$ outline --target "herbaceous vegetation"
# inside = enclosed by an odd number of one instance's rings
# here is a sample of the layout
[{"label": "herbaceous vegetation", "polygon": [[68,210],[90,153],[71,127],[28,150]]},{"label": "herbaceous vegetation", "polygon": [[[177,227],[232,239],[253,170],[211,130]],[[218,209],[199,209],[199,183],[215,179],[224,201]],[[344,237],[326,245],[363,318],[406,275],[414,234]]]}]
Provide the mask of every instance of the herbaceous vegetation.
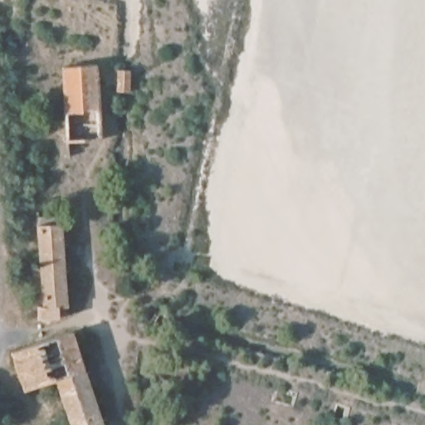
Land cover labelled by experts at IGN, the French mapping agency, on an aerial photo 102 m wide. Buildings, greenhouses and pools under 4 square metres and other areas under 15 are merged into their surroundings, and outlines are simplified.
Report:
[{"label": "herbaceous vegetation", "polygon": [[[154,125],[154,111],[163,106],[168,98],[171,98],[171,103],[176,108],[173,115],[168,116],[169,125],[183,118],[179,108],[183,98],[194,96],[194,106],[204,106],[204,111],[209,116],[216,100],[216,86],[212,83],[212,78],[217,76],[214,66],[201,65],[198,55],[191,56],[191,61],[179,58],[179,45],[186,40],[189,13],[184,5],[179,5],[178,0],[139,0],[139,38],[134,55],[128,58],[125,55],[126,3],[123,0],[35,0],[35,3],[40,5],[40,15],[56,17],[55,25],[66,27],[68,33],[90,33],[100,38],[95,50],[75,50],[65,55],[65,60],[70,61],[71,68],[96,66],[100,71],[103,138],[86,139],[85,144],[68,146],[61,141],[56,144],[56,166],[65,174],[60,183],[60,194],[70,198],[70,217],[73,221],[70,231],[63,232],[68,307],[73,314],[91,307],[91,300],[95,297],[95,284],[91,272],[90,221],[95,221],[101,219],[103,212],[96,208],[93,191],[90,189],[98,184],[93,169],[96,166],[106,168],[110,164],[108,161],[115,158],[125,181],[125,191],[131,189],[139,198],[143,198],[148,206],[156,203],[156,211],[161,217],[159,231],[166,234],[186,234],[194,193],[198,186],[204,139],[208,138],[208,134],[198,131],[194,138],[188,136],[184,141],[173,141],[164,134],[161,126]],[[116,73],[125,70],[131,76],[131,85],[126,93],[134,96],[134,103],[125,120],[111,110],[111,101],[116,91]]]},{"label": "herbaceous vegetation", "polygon": [[[317,418],[330,410],[335,410],[334,418],[340,418],[342,425],[425,425],[425,342],[415,342],[397,334],[382,334],[377,330],[367,329],[364,325],[339,319],[324,310],[305,309],[302,305],[271,296],[269,302],[261,302],[237,292],[222,292],[209,281],[199,281],[198,274],[188,272],[183,281],[166,281],[158,289],[149,291],[149,296],[153,299],[171,299],[178,297],[186,289],[193,289],[198,294],[196,300],[201,304],[198,312],[179,315],[173,322],[174,327],[191,344],[189,347],[181,347],[178,352],[184,367],[193,362],[208,362],[209,369],[203,380],[188,379],[186,375],[176,377],[174,387],[181,393],[179,407],[186,410],[186,415],[174,418],[173,425],[309,425],[312,418]],[[254,307],[257,312],[256,319],[247,320],[242,329],[242,337],[222,334],[216,330],[212,317],[216,314],[226,315],[227,310],[234,305]],[[292,322],[312,322],[315,325],[314,334],[299,342],[292,340],[289,332],[289,325]],[[247,342],[264,345],[269,350],[287,355],[287,372],[307,379],[314,379],[315,375],[319,374],[327,382],[324,388],[312,383],[300,383],[297,390],[299,400],[296,407],[292,407],[289,405],[291,383],[271,375],[237,369],[234,365],[229,365],[232,359],[244,362],[242,349],[246,347]],[[315,370],[314,367],[304,367],[300,364],[300,357],[309,349],[327,349],[330,360],[327,369]]]},{"label": "herbaceous vegetation", "polygon": [[5,189],[0,184],[0,319],[3,317],[12,330],[25,330],[28,340],[28,344],[18,344],[17,347],[10,347],[10,350],[5,352],[8,365],[5,369],[0,369],[0,425],[70,425],[56,385],[38,388],[33,392],[23,392],[22,385],[15,375],[13,354],[35,347],[35,340],[43,340],[42,330],[38,330],[38,327],[37,319],[23,319],[20,300],[15,297],[10,286],[7,244],[3,241],[5,208],[2,194],[5,193]]},{"label": "herbaceous vegetation", "polygon": [[105,425],[128,425],[125,418],[116,412],[113,375],[105,362],[100,335],[91,325],[78,329],[75,335],[76,342],[80,347],[81,359],[85,364],[86,374],[90,377],[91,388]]}]

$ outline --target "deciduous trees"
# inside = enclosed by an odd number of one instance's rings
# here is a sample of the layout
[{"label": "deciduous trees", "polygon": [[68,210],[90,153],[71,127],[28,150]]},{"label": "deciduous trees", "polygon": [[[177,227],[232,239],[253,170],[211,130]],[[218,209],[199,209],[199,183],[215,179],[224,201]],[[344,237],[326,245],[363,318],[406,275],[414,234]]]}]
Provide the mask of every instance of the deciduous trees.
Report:
[{"label": "deciduous trees", "polygon": [[216,330],[222,334],[242,337],[242,329],[229,324],[226,315],[216,314],[212,317]]},{"label": "deciduous trees", "polygon": [[129,342],[126,349],[128,357],[120,355],[121,374],[125,377],[123,382],[133,402],[133,410],[125,418],[128,425],[173,425],[174,418],[186,415],[186,410],[179,407],[181,393],[174,387],[176,377],[186,375],[188,379],[203,380],[209,369],[208,362],[193,362],[184,367],[178,352],[181,347],[189,347],[191,344],[174,327],[173,322],[179,315],[198,312],[201,304],[196,300],[198,294],[193,289],[186,289],[178,297],[171,299],[153,299],[149,296],[149,291],[158,289],[166,281],[183,281],[188,272],[196,257],[193,257],[191,264],[183,261],[186,254],[186,234],[166,234],[159,231],[161,217],[156,211],[156,203],[148,206],[143,198],[139,198],[131,189],[125,191],[125,181],[115,158],[108,161],[110,164],[106,168],[96,166],[93,169],[98,184],[90,189],[93,191],[96,208],[103,212],[101,219],[95,221],[100,231],[100,242],[108,247],[108,251],[101,251],[98,254],[98,269],[101,284],[110,292],[110,299],[116,299],[118,296],[129,297],[133,304],[129,304],[126,309],[129,334],[139,335],[143,339],[154,337],[161,344],[154,347]]},{"label": "deciduous trees", "polygon": [[125,120],[134,103],[134,96],[126,93],[116,91],[111,101],[111,110]]},{"label": "deciduous trees", "polygon": [[42,28],[38,38],[45,42],[55,55],[65,55],[75,50],[95,50],[100,38],[90,33],[68,33],[66,27],[55,25],[40,22]]},{"label": "deciduous trees", "polygon": [[42,267],[38,257],[37,227],[56,226],[61,227],[63,232],[70,231],[73,221],[70,217],[70,198],[60,194],[60,183],[65,174],[56,166],[56,144],[58,133],[48,128],[46,123],[48,93],[40,90],[43,81],[48,80],[48,73],[43,75],[38,71],[38,65],[28,63],[28,55],[33,50],[32,7],[35,3],[35,0],[0,0],[0,184],[5,189],[5,193],[2,194],[5,208],[3,241],[7,244],[10,286],[15,297],[20,300],[23,319],[37,319],[43,291],[40,281]]}]

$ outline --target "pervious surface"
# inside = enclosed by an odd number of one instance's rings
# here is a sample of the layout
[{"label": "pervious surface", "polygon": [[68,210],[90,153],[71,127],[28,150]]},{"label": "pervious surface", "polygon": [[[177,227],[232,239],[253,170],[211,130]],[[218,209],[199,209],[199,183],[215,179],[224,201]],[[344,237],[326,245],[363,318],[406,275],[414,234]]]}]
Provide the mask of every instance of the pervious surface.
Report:
[{"label": "pervious surface", "polygon": [[101,251],[108,251],[108,247],[100,242],[100,231],[95,221],[90,221],[91,272],[95,284],[95,297],[91,300],[91,307],[73,314],[70,317],[51,320],[50,324],[43,322],[42,327],[38,327],[38,330],[42,330],[43,340],[53,337],[56,330],[70,327],[78,329],[91,325],[100,335],[105,362],[113,375],[116,412],[125,418],[133,410],[133,402],[123,382],[125,377],[121,374],[120,355],[128,357],[126,349],[129,342],[154,347],[161,344],[154,337],[143,339],[139,335],[129,334],[126,309],[120,305],[116,319],[113,319],[110,314],[110,299],[110,292],[101,284],[98,269],[98,254]]},{"label": "pervious surface", "polygon": [[324,388],[327,382],[319,374],[315,375],[314,379],[307,379],[287,372],[244,362],[232,359],[229,365],[234,365],[237,369],[271,375],[291,383],[289,405],[292,407],[296,407],[299,400],[297,390],[300,383],[312,383]]},{"label": "pervious surface", "polygon": [[128,58],[134,55],[139,38],[139,0],[123,0],[126,3],[125,55]]},{"label": "pervious surface", "polygon": [[[209,256],[209,267],[222,279],[271,296],[302,305],[305,309],[324,310],[339,319],[364,325],[367,329],[377,330],[382,334],[397,334],[415,342],[425,342],[425,0],[251,0],[251,20],[244,37],[244,50],[239,55],[234,85],[231,88],[229,116],[222,125],[216,123],[216,120],[209,121],[208,134],[208,138],[204,139],[198,186],[194,193],[186,234],[186,254],[183,261],[191,264],[193,257],[196,257]],[[206,196],[208,209],[208,234],[211,241],[209,252],[193,252],[191,249],[201,194]]]}]

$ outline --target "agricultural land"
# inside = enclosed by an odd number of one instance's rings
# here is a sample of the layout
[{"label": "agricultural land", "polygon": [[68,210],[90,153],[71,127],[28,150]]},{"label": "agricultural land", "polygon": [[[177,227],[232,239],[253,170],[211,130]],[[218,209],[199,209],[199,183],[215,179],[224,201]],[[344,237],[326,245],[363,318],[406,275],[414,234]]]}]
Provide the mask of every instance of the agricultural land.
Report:
[{"label": "agricultural land", "polygon": [[48,93],[46,123],[48,128],[58,133],[56,144],[61,141],[68,146],[85,144],[86,139],[71,139],[70,126],[63,123],[68,101],[63,95],[61,73],[65,68],[71,68],[70,61],[65,60],[65,55],[55,55],[45,42],[38,38],[42,28],[40,22],[55,25],[56,17],[40,15],[40,5],[35,3],[32,7],[33,50],[28,55],[28,63],[38,65],[38,71],[43,75],[48,73],[48,80],[43,81],[40,90]]}]

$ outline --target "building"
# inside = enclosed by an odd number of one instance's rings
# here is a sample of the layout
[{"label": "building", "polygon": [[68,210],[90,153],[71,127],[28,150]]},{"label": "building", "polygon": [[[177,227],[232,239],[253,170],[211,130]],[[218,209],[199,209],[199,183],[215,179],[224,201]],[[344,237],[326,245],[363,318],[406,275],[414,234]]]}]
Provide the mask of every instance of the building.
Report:
[{"label": "building", "polygon": [[50,324],[51,320],[70,317],[73,314],[68,307],[63,232],[61,227],[56,226],[37,227],[38,257],[42,267],[40,281],[43,291],[37,319],[38,327],[42,327],[43,322]]},{"label": "building", "polygon": [[13,354],[15,375],[22,385],[23,392],[33,392],[38,388],[56,385],[70,425],[105,425],[91,388],[90,377],[86,374],[85,364],[81,359],[80,347],[76,342],[75,335],[78,329],[70,327],[56,330],[53,337],[43,340],[35,340],[35,347]]},{"label": "building", "polygon": [[116,299],[110,299],[110,314],[113,319],[116,319],[120,305],[126,309],[129,304],[133,304],[129,297],[118,296]]},{"label": "building", "polygon": [[61,73],[63,95],[68,101],[63,123],[70,126],[71,139],[86,139],[103,138],[100,71],[96,66],[71,68],[65,68]]},{"label": "building", "polygon": [[116,91],[126,93],[131,85],[131,76],[125,70],[116,73]]}]

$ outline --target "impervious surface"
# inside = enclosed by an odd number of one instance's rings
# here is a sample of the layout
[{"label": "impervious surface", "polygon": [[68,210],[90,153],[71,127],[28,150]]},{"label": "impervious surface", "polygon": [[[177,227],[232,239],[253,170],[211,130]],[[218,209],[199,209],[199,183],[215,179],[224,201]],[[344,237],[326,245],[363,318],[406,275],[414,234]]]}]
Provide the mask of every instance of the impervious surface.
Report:
[{"label": "impervious surface", "polygon": [[17,347],[18,344],[28,344],[28,340],[25,330],[12,330],[3,317],[0,319],[0,369],[5,369],[8,365],[5,352],[10,350],[10,347]]}]

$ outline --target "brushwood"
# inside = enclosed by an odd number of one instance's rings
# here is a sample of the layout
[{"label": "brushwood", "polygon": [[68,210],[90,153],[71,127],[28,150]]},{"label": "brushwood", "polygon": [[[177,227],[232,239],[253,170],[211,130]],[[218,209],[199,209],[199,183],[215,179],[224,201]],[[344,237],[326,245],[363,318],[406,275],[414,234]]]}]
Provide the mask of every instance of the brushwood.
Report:
[{"label": "brushwood", "polygon": [[247,342],[246,347],[242,349],[244,362],[287,372],[287,355],[269,350],[264,345]]},{"label": "brushwood", "polygon": [[256,319],[257,312],[254,307],[234,305],[227,310],[226,315],[229,324],[242,329],[247,320]]},{"label": "brushwood", "polygon": [[317,418],[312,418],[309,425],[342,425],[340,418],[334,418],[335,410],[330,410]]},{"label": "brushwood", "polygon": [[211,241],[208,234],[208,209],[206,196],[201,194],[191,249],[193,252],[209,252]]},{"label": "brushwood", "polygon": [[314,334],[315,325],[312,322],[292,322],[289,325],[289,332],[292,340],[299,342]]},{"label": "brushwood", "polygon": [[179,5],[184,5],[189,13],[186,40],[179,45],[179,58],[191,61],[191,56],[198,55],[201,65],[214,66],[217,76],[212,78],[212,83],[216,86],[216,100],[209,116],[204,111],[204,106],[194,106],[194,96],[183,98],[179,108],[183,118],[169,125],[168,116],[173,115],[176,108],[171,103],[171,98],[168,98],[163,106],[154,111],[154,125],[161,126],[164,134],[173,141],[184,141],[188,136],[194,138],[198,131],[208,134],[209,121],[216,120],[216,123],[222,125],[229,116],[231,88],[234,85],[239,55],[244,50],[244,37],[251,20],[251,0],[178,0]]},{"label": "brushwood", "polygon": [[315,370],[327,369],[330,360],[327,349],[309,349],[300,357],[300,364],[304,367],[314,367]]},{"label": "brushwood", "polygon": [[209,256],[196,257],[188,272],[198,274],[199,281],[209,281],[222,292],[237,292],[261,302],[269,302],[271,296],[222,279],[209,267]]}]

